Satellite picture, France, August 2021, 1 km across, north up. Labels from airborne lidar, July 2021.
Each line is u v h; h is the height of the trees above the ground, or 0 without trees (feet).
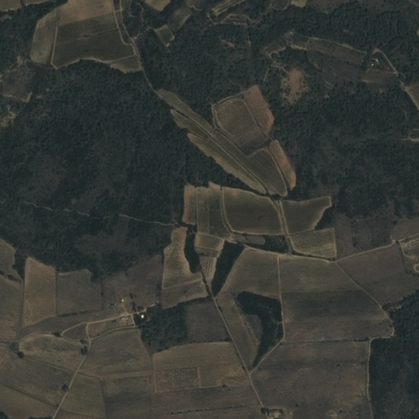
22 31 23
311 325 0
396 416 0
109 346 0
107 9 0
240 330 0
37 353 0
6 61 25
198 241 0
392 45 36
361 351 0
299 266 0
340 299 0
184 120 0
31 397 0
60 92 31
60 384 0
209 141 0
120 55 0
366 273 0
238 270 0
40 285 0
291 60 30
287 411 0
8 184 22
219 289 19
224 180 49
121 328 0
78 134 24
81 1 0
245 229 0
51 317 0
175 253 0
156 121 56
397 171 19
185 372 0
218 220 0
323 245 0
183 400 0
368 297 0
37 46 0
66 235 22
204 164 50
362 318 0
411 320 39
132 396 0
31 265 0
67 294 0
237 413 0
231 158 0
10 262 0
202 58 32
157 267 0
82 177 31
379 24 36
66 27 0
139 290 0
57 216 21
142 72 20
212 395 0
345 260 0
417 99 0
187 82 27
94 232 22
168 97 0
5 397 0
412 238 0
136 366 0
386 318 0
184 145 57
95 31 0
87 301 0
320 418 0
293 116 30
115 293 0
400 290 0
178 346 0
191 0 0
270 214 0
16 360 0
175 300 0
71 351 0
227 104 0
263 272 0
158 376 0
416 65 35
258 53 43
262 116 0
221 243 0
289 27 33
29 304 0
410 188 20
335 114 18
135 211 19
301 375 0
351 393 0
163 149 44
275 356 0
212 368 0
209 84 33
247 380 0
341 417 0
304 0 0
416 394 33
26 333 0
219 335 0
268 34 38
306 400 0
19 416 0
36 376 0
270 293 0
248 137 0
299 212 0
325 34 45
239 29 40
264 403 0
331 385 0
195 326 0
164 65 37
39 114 30
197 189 0
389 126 27
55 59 0
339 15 19
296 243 0
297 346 0
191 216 0
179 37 35
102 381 0
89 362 0
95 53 0
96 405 0
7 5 0
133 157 22
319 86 27
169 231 0
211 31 29
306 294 0
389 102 43
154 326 38
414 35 42
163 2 0
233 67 40
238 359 0
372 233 0
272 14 31
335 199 22
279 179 0
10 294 0
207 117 17
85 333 0
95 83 27
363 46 43
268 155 0
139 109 38
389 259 0
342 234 0
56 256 25
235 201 0
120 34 0
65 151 32
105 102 26
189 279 0
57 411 0
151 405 0
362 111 27
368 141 23
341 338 0
